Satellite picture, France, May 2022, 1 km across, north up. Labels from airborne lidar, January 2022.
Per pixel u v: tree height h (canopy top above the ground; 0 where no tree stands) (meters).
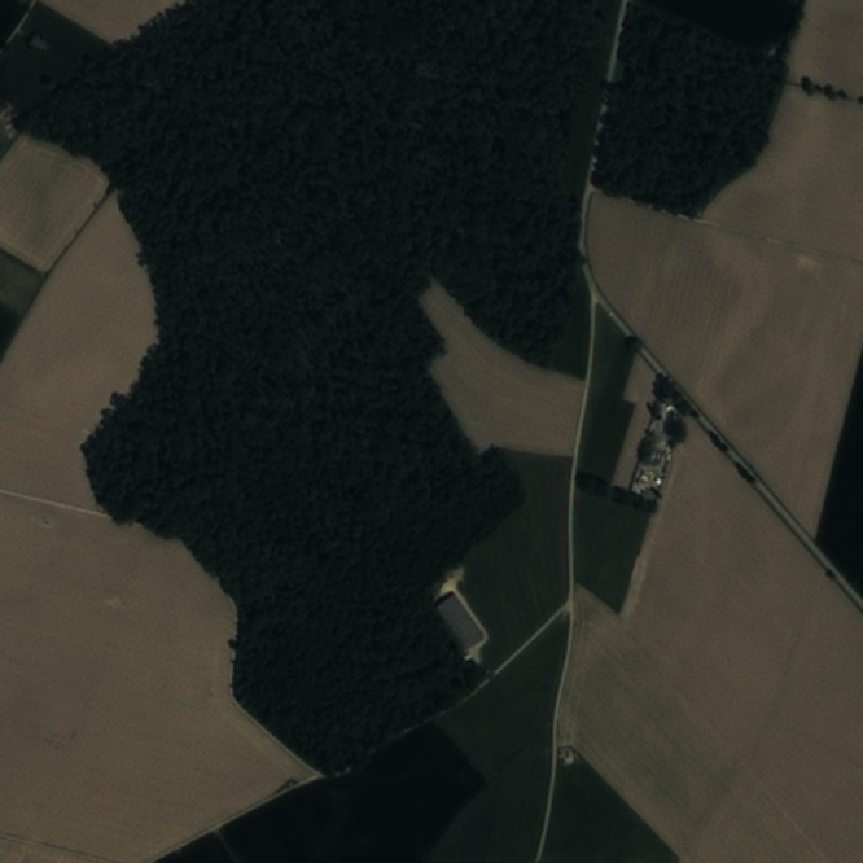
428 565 15
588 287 0
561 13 34
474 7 22
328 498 26
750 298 0
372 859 0
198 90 29
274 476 22
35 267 0
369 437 21
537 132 26
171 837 0
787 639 0
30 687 0
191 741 0
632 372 0
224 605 0
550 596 0
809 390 0
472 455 22
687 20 0
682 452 0
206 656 0
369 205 31
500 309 21
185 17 24
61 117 22
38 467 0
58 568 0
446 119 28
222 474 28
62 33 0
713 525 0
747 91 17
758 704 0
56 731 0
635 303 0
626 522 0
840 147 0
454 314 0
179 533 20
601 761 0
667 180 24
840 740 0
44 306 0
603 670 0
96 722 0
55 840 0
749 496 0
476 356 0
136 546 0
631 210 0
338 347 10
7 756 0
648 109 25
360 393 28
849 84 0
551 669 0
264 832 0
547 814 0
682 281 0
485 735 0
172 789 0
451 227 15
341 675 17
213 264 33
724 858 0
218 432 28
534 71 28
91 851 0
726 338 0
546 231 25
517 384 0
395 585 16
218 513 19
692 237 0
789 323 0
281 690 10
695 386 0
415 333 19
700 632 0
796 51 0
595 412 0
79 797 0
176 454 27
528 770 0
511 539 0
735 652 0
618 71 0
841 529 0
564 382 0
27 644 0
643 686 0
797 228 0
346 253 31
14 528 0
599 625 0
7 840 0
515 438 0
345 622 13
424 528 12
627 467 0
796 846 0
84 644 0
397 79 31
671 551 0
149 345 0
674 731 0
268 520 16
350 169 31
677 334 0
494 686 0
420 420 19
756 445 0
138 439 29
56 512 0
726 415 0
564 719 0
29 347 0
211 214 20
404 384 21
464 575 0
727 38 0
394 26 20
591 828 0
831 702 0
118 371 0
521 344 23
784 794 0
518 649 0
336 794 0
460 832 0
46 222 0
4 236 0
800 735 0
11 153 0
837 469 0
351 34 20
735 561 0
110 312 0
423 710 12
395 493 25
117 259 0
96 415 0
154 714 0
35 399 0
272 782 0
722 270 0
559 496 0
